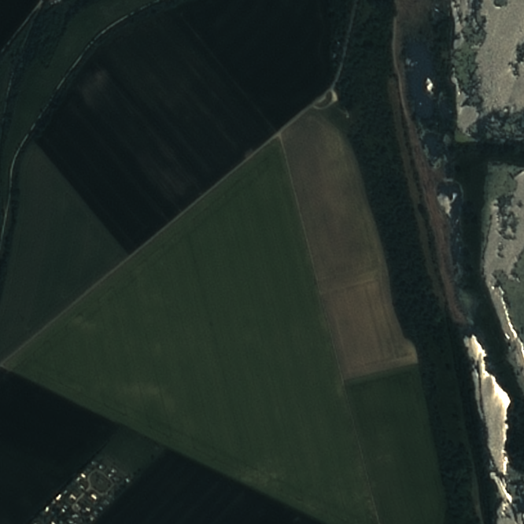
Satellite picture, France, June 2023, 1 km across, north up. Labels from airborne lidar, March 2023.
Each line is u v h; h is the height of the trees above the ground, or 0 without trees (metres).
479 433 13
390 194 8
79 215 0
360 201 0
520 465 15
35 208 0
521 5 0
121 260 0
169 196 0
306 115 0
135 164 0
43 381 0
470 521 9
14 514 0
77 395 0
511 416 8
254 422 0
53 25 9
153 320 0
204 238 0
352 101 13
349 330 0
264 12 0
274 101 0
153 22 0
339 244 0
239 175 0
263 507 0
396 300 7
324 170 0
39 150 0
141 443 0
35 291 0
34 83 0
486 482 9
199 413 0
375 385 0
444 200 0
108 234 0
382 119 10
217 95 0
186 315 0
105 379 0
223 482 0
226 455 0
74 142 0
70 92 0
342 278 0
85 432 0
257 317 0
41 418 0
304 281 0
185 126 0
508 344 0
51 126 0
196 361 0
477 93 0
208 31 0
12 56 8
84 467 8
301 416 0
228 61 0
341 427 0
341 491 0
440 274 26
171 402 0
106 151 0
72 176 0
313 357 0
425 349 7
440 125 9
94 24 0
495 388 0
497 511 0
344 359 0
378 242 0
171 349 0
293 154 0
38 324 0
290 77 0
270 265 0
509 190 0
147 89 0
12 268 0
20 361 0
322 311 0
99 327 0
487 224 0
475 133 0
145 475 0
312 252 0
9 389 0
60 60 0
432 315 14
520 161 0
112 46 0
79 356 0
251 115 0
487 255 0
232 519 0
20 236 0
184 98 0
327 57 0
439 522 0
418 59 0
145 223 0
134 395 0
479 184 0
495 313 0
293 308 0
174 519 0
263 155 0
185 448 0
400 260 7
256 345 0
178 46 0
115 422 0
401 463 0
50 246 0
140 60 0
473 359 0
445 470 14
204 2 0
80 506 7
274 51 0
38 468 0
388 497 0
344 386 0
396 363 0
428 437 0
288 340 0
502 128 0
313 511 0
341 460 0
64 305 0
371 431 0
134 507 0
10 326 0
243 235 0
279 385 0
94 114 0
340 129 0
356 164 0
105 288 0
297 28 0
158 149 0
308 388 0
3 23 0
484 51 0
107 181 0
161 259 0
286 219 0
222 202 0
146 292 0
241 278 0
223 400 0
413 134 26
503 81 0
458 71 0
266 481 0
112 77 0
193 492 0
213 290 0
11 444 0
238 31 0
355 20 9
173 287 0
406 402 0
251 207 0
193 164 0
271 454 0
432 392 14
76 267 0
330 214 0
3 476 0
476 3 0
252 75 0
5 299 0
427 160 8
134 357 0
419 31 21
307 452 0
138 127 0
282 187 0
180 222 0
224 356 0
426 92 0
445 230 29
